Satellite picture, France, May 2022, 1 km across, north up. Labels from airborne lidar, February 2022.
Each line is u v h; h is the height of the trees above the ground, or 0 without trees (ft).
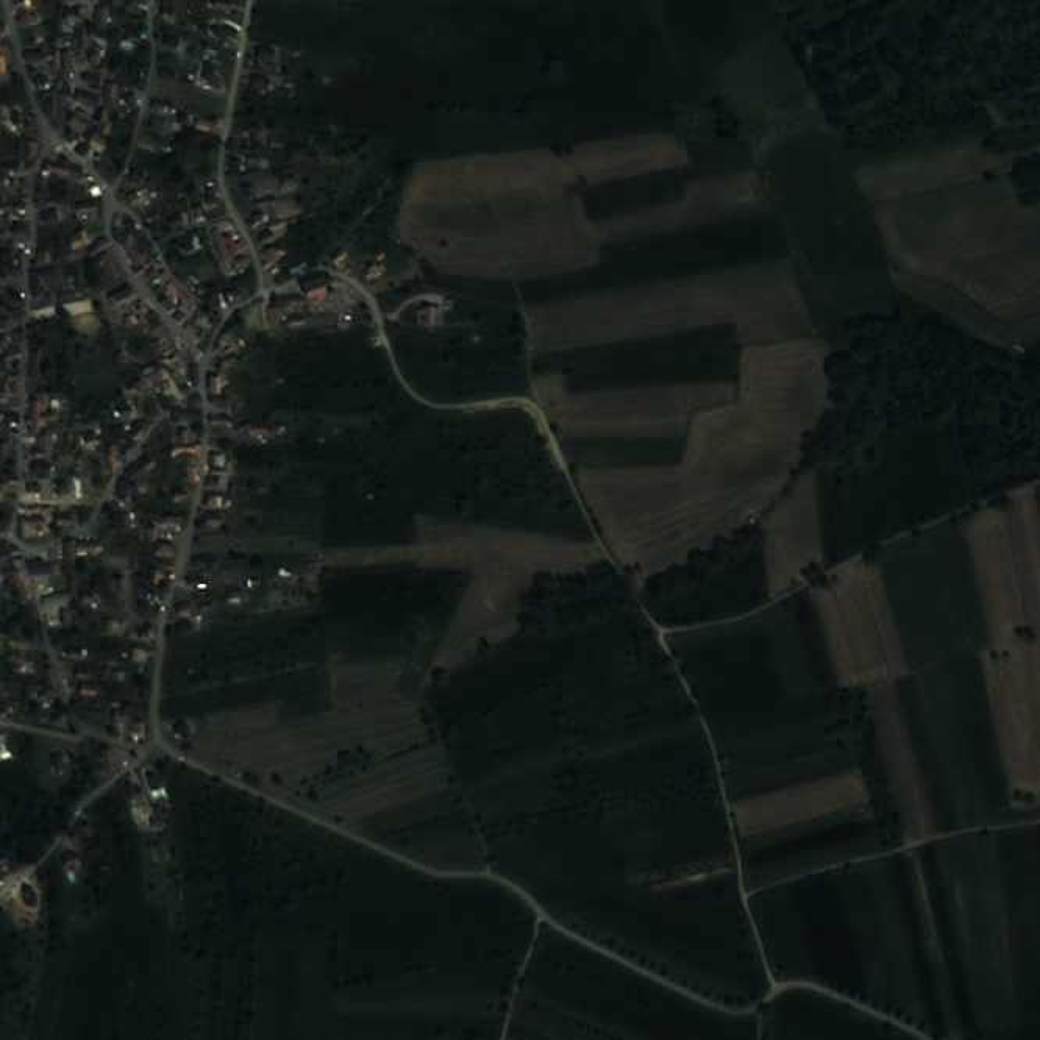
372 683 0
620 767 0
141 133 0
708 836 0
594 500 0
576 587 59
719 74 0
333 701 0
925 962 0
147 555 0
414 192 0
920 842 0
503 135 0
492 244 0
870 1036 0
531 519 0
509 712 0
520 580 0
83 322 0
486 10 0
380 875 0
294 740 0
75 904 0
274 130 30
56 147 0
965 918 0
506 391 0
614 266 0
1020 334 0
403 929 0
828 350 0
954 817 0
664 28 0
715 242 0
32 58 0
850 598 0
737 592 0
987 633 0
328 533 0
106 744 0
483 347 0
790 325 0
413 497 0
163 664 0
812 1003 0
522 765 0
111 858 0
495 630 0
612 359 0
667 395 0
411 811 0
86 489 0
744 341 0
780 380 0
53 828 51
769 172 0
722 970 0
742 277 0
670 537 0
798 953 0
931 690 0
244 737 0
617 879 0
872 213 0
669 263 0
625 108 0
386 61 0
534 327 0
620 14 0
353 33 0
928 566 0
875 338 78
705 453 0
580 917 0
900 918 0
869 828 0
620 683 0
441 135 0
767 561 0
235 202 0
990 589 0
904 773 0
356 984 22
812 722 0
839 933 0
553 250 0
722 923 0
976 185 0
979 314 0
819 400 0
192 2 0
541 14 0
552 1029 0
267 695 0
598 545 0
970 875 0
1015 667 0
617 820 0
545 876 0
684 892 0
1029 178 73
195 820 22
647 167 0
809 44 24
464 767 0
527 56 0
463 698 0
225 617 0
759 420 0
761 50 0
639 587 0
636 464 0
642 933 0
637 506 0
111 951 0
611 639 0
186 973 0
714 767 0
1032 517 0
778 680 0
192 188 33
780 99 0
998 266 0
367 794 0
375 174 0
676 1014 0
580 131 0
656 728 0
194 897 0
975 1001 0
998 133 40
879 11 34
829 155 0
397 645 0
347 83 0
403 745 0
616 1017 0
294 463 0
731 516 0
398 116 0
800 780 0
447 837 0
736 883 0
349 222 31
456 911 0
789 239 0
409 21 0
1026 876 0
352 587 0
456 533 0
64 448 0
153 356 0
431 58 0
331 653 0
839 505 0
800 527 0
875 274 0
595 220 0
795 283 0
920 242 0
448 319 0
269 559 0
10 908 0
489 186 0
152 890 18
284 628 0
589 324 0
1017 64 53
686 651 0
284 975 0
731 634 0
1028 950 0
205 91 0
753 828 0
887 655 0
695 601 0
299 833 0
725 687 0
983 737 0
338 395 0
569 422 0
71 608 23
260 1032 0
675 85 0
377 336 0
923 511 0
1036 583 0
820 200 0
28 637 55
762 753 0
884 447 0
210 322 0
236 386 0
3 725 0
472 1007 0
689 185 0
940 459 0
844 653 0
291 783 0
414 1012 0
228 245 0
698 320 0
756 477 0
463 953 0
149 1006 0
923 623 0
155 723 0
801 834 0
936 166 0
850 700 27
